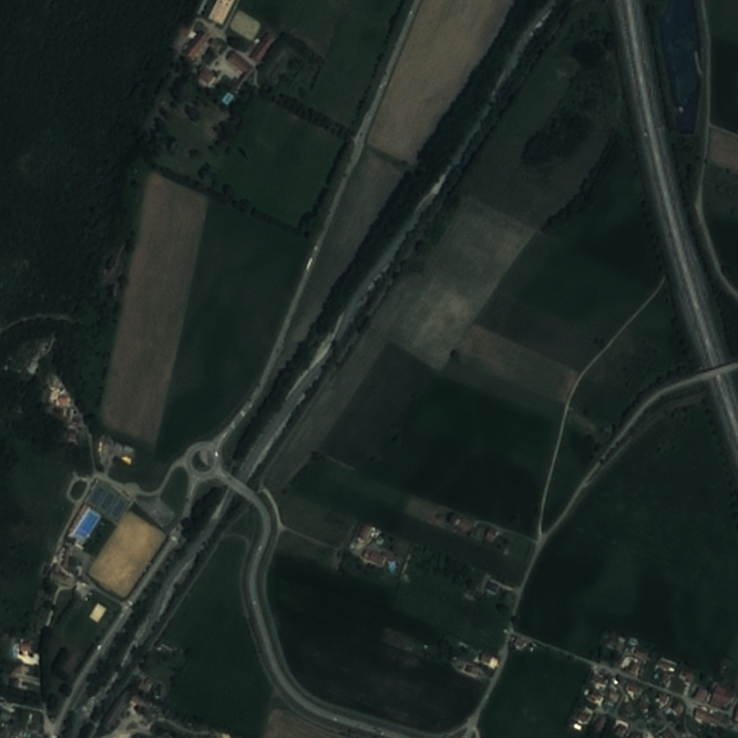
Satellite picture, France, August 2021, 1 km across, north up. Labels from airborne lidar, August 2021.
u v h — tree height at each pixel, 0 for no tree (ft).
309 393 23
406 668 0
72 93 43
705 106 0
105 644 0
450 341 0
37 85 35
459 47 0
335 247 0
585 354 0
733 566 0
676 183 0
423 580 0
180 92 79
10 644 0
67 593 0
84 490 0
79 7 50
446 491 0
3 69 54
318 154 0
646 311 0
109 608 0
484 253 0
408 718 0
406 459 0
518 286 0
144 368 0
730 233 0
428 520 0
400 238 0
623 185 0
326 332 35
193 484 0
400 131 0
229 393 0
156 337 0
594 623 0
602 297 0
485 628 0
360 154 0
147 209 0
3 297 29
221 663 0
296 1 0
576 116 18
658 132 0
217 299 0
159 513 0
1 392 42
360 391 0
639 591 0
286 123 0
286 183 0
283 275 0
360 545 0
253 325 0
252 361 0
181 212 0
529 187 0
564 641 0
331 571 0
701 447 0
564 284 0
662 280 0
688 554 0
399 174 0
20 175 19
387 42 28
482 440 0
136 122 79
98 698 0
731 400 0
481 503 0
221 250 0
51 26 24
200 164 0
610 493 0
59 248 51
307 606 0
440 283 0
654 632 0
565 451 0
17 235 38
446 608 0
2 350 43
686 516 0
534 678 0
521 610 0
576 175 0
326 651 0
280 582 0
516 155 0
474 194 0
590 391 0
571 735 0
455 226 0
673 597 0
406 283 0
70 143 34
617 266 0
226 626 0
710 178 0
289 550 0
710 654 0
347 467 0
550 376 0
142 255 0
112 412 0
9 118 43
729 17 0
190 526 48
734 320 30
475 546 0
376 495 0
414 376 0
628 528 0
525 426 0
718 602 0
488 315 0
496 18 0
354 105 0
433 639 0
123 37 40
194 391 0
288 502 0
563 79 0
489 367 0
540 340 0
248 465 0
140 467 0
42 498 0
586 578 0
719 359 0
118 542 0
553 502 0
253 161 0
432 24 0
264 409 34
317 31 0
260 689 0
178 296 0
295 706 0
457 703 0
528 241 0
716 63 0
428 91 0
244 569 0
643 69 0
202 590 0
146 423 0
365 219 0
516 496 0
